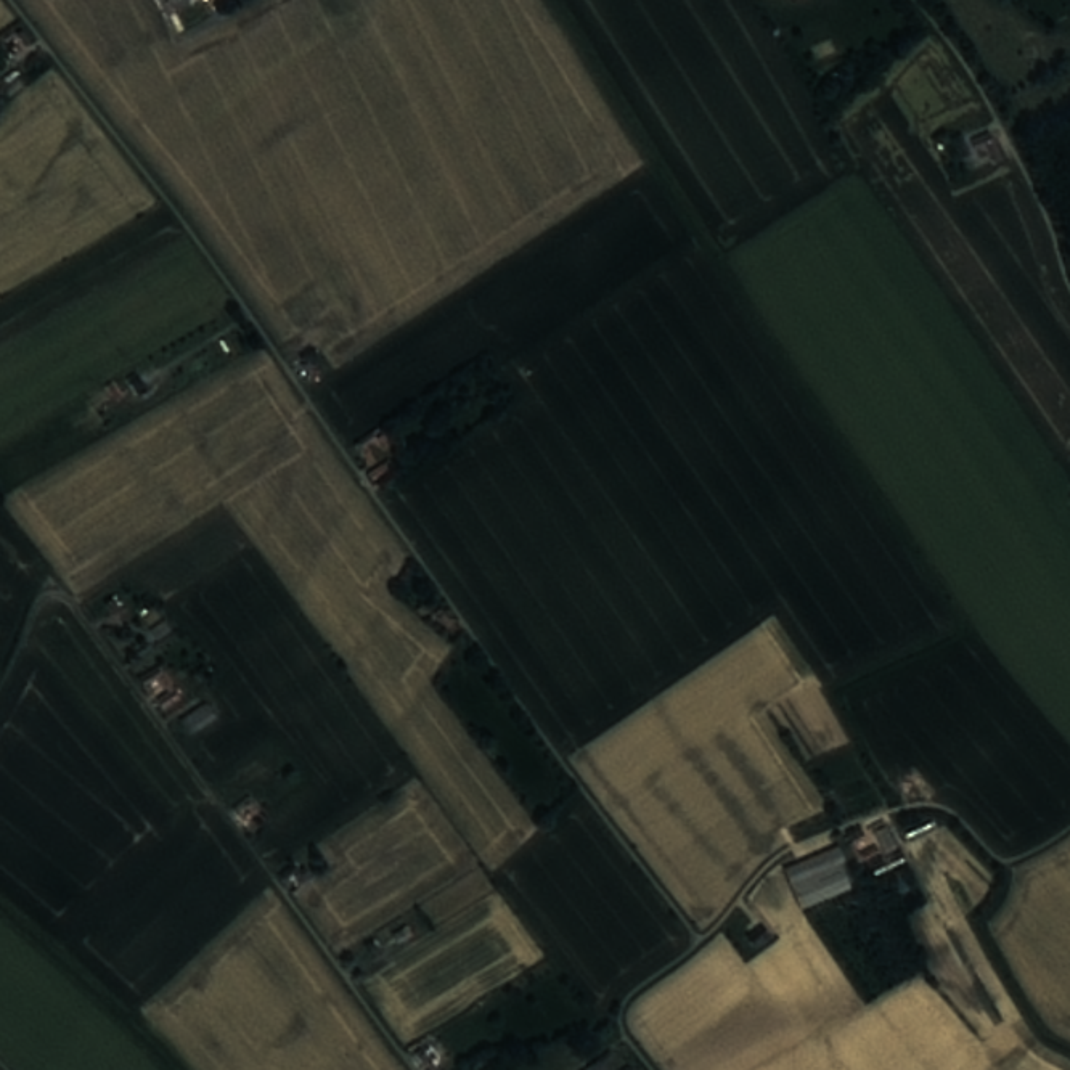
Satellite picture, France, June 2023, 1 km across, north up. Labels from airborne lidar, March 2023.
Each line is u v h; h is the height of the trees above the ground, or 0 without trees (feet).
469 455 0
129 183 0
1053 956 0
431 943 0
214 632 0
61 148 0
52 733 0
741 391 0
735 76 0
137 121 0
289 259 0
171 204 0
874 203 0
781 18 0
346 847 0
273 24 0
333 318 0
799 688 0
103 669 0
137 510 0
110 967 0
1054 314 0
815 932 0
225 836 0
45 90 0
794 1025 0
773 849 0
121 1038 0
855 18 0
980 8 0
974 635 0
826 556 0
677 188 0
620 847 0
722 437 0
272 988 0
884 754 0
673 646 0
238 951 0
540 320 0
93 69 0
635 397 0
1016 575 0
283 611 0
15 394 0
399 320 0
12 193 0
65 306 0
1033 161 87
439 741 0
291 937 0
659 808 0
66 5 0
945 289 0
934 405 0
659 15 0
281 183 0
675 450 0
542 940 0
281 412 0
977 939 0
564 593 0
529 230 0
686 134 0
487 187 0
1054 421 0
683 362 0
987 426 0
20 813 0
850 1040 0
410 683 0
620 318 0
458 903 0
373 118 0
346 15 0
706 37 0
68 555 0
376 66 0
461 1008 0
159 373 0
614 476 0
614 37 0
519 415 0
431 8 0
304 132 0
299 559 0
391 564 0
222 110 0
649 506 0
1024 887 0
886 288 0
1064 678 0
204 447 0
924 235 0
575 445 0
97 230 0
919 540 0
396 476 54
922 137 0
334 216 0
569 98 0
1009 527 0
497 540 0
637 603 0
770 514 0
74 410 0
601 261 0
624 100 0
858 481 0
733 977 0
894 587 0
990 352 0
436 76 0
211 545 0
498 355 0
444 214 0
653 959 0
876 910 41
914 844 0
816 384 0
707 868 0
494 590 0
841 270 0
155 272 0
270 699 0
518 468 0
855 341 0
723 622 0
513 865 0
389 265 0
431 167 0
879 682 0
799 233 0
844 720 0
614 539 0
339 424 0
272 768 0
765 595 0
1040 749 0
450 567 0
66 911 0
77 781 0
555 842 0
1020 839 0
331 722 0
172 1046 0
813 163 0
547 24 0
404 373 0
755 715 0
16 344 0
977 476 0
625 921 0
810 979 0
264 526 0
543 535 0
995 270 0
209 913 0
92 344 0
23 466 0
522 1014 0
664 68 0
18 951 0
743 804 0
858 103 0
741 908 0
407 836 0
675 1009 0
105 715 0
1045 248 0
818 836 0
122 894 0
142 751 0
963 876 0
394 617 0
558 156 0
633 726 0
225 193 0
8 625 0
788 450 0
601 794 0
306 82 0
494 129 0
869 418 0
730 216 0
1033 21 20
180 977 0
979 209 0
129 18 0
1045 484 0
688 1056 0
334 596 0
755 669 0
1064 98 0
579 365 0
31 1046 0
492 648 0
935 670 0
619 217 0
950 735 0
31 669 0
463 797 0
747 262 0
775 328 0
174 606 0
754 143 0
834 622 0
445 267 0
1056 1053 0
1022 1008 0
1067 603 0
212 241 0
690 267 0
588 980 0
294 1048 0
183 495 0
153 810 0
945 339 0
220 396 0
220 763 0
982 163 0
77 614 0
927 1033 0
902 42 69
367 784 0
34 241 0
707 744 0
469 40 0
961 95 0
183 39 0
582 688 0
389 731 0
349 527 0
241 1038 0
